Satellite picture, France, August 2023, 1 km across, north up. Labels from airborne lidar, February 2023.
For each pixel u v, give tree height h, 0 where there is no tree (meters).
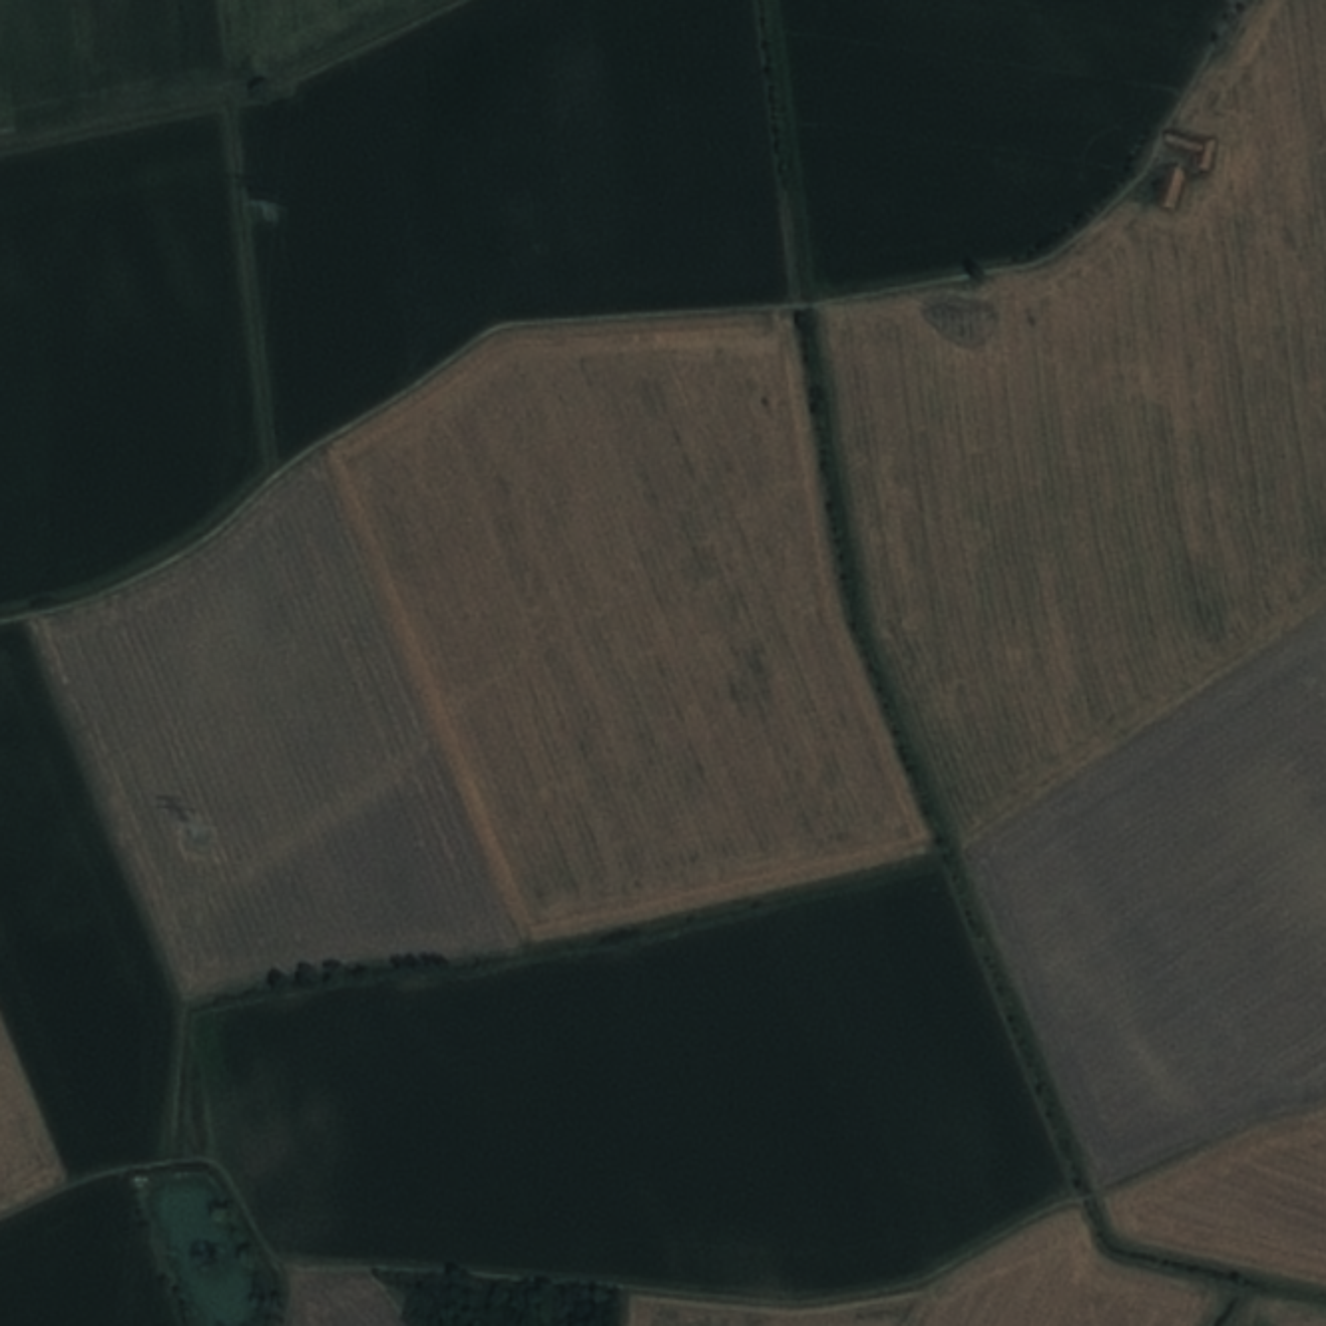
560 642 0
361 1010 0
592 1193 0
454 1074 0
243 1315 0
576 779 0
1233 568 0
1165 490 0
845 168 0
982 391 0
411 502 0
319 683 0
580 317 0
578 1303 11
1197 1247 0
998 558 0
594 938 0
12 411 0
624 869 0
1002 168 0
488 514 0
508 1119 0
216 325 0
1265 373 0
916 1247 0
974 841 0
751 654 0
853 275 0
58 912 0
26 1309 0
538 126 0
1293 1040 0
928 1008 0
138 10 0
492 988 0
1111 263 0
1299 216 0
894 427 0
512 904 0
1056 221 0
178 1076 0
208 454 0
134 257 0
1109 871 0
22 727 0
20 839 0
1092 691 0
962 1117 0
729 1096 0
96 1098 0
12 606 0
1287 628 0
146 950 0
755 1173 0
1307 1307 0
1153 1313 0
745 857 0
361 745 0
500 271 0
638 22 0
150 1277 0
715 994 0
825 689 0
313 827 0
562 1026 0
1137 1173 0
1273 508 0
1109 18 0
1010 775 0
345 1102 0
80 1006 0
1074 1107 0
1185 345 0
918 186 0
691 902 0
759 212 0
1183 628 0
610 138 0
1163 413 0
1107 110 0
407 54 0
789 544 0
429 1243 0
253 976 0
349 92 0
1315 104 0
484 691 0
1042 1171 0
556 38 0
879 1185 0
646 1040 0
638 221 0
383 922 0
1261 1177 0
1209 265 0
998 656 0
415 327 0
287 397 0
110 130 0
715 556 0
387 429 0
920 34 0
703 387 0
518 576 0
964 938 0
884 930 0
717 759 0
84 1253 0
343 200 0
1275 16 0
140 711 0
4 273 0
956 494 0
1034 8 0
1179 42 0
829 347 0
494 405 0
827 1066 0
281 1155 0
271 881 0
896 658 0
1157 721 0
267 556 0
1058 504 0
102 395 0
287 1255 0
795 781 0
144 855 0
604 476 0
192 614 0
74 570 0
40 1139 0
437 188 0
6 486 0
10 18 0
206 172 0
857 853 0
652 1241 0
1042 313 0
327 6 0
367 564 0
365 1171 0
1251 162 0
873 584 0
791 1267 0
